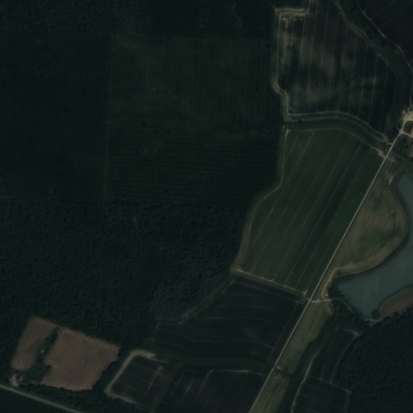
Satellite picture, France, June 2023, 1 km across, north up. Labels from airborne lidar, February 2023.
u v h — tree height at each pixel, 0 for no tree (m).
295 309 0
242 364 0
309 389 0
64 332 0
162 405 0
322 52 0
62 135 16
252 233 0
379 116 0
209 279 23
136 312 15
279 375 0
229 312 0
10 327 24
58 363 0
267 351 0
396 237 0
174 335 0
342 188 0
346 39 0
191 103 0
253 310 0
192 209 28
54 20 23
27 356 0
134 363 0
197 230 26
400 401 24
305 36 0
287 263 0
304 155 0
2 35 17
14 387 6
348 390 0
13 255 22
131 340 20
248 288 0
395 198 0
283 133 0
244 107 0
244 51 0
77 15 27
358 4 0
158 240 21
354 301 0
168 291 28
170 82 0
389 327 24
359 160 0
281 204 0
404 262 0
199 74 0
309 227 0
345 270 0
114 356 0
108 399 19
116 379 0
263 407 0
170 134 23
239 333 0
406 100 0
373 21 0
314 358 0
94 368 0
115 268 6
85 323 19
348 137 0
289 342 0
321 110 0
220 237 26
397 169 0
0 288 26
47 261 22
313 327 0
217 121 0
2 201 6
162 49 0
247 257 0
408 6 0
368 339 20
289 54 0
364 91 0
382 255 0
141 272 13
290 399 0
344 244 0
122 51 0
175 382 0
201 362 0
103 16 18
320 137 0
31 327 0
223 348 0
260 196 0
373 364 20
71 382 0
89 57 17
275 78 0
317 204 0
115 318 18
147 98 0
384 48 19
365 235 0
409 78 0
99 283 15
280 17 0
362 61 0
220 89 0
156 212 29
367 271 0
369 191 0
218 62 0
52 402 0
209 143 0
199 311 0
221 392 0
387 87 0
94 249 22
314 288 0
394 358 22
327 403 0
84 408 13
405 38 0
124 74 0
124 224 23
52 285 25
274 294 0
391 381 18
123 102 0
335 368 0
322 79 0
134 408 24
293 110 0
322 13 0
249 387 0
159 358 0
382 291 0
